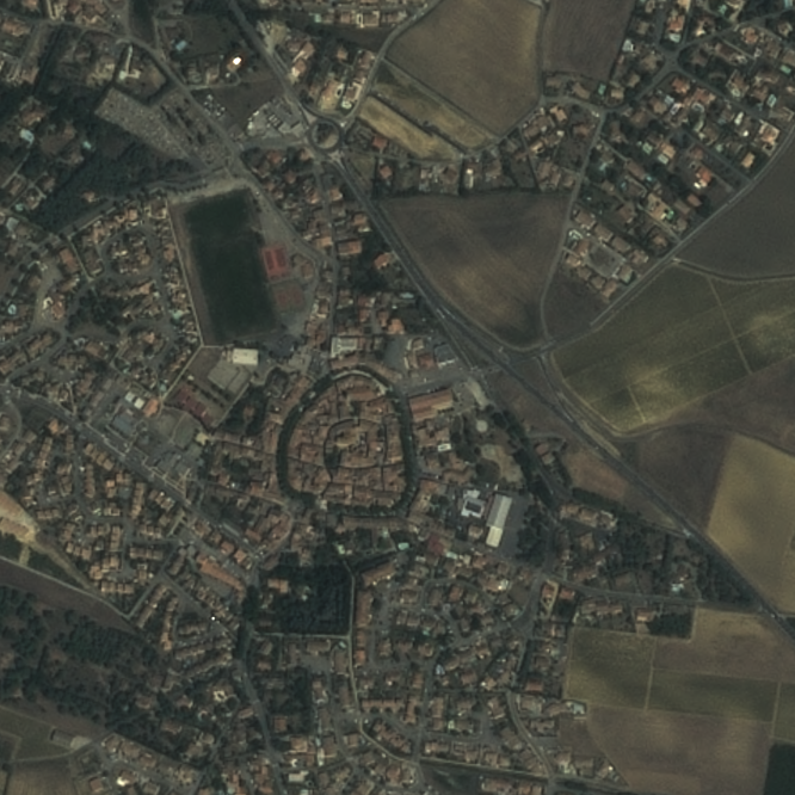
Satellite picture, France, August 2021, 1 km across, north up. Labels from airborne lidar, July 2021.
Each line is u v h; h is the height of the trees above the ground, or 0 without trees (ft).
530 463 38
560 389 0
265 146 0
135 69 0
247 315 0
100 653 26
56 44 22
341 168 0
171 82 31
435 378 0
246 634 53
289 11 20
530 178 23
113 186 42
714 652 0
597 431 0
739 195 0
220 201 0
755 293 0
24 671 53
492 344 0
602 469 0
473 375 0
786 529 0
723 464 0
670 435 0
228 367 0
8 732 0
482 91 0
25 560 0
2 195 38
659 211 0
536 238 0
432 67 0
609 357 0
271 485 0
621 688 0
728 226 0
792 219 0
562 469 29
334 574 52
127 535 0
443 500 28
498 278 0
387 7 0
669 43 33
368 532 23
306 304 0
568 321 0
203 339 0
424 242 0
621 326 0
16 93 25
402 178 0
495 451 0
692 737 0
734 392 0
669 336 0
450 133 0
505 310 0
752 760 0
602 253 0
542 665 0
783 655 0
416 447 27
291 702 30
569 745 0
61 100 19
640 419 0
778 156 0
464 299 0
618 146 26
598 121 0
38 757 0
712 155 0
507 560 0
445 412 20
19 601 55
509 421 42
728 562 0
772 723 0
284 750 50
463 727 0
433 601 0
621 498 0
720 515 0
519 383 0
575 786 36
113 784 0
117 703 22
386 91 0
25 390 23
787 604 0
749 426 0
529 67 0
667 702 0
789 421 0
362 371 25
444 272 0
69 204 49
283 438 25
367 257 21
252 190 0
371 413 0
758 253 0
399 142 0
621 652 0
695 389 0
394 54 0
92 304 22
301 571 38
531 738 0
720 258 0
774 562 0
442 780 0
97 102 23
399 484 0
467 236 0
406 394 0
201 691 43
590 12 0
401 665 0
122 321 23
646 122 0
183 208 0
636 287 0
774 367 0
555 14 0
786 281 0
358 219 0
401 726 0
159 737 26
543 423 0
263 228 0
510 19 0
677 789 0
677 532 0
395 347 0
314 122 0
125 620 21
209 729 22
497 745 0
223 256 0
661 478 0
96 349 0
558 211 0
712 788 0
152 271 0
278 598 31
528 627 0
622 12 0
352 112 0
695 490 0
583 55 0
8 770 23
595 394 0
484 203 0
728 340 0
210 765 39
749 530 0
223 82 0
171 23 0
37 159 36
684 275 0
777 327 0
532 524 27
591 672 0
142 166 27
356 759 0
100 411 0
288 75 0
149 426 0
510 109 0
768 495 0
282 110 0
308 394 25
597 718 0
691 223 31
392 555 23
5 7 24
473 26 0
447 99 0
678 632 29
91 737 0
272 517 0
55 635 0
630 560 30
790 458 0
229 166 0
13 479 24
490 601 0
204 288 0
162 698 32
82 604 0
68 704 52
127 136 43
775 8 43
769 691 0
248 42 35
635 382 0
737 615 0
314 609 52
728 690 0
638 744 0
